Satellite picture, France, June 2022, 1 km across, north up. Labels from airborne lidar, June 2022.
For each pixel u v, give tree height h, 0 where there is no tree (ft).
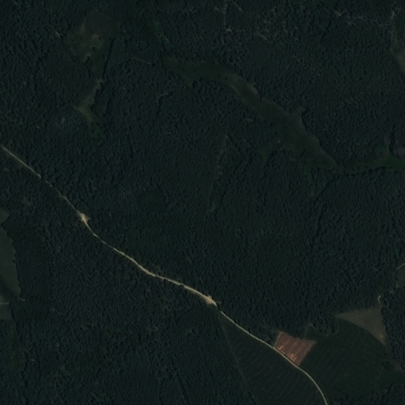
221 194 27
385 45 60
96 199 88
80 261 63
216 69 0
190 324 65
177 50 79
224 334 67
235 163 33
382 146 86
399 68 71
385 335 0
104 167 65
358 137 37
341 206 98
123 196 68
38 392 88
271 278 62
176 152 92
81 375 31
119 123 103
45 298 52
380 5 54
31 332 63
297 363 0
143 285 52
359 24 79
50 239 41
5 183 60
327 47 76
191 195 70
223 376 58
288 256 52
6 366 72
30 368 66
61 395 30
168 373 31
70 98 86
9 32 67
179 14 40
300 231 74
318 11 55
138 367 84
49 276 41
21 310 51
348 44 76
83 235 65
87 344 46
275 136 75
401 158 78
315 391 0
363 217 82
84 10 57
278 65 56
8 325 78
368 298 54
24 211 43
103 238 57
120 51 65
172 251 48
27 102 79
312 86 72
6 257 0
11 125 45
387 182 78
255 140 73
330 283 92
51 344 69
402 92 78
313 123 85
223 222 91
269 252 56
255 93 0
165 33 60
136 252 59
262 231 75
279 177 84
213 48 54
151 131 58
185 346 58
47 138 91
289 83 73
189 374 74
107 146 54
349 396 36
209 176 74
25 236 53
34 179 70
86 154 67
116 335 38
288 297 60
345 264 86
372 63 76
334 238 78
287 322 75
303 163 40
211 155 95
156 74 87
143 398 73
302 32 68
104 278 60
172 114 98
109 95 53
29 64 87
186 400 34
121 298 34
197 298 50
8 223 49
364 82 92
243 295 60
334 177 33
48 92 59
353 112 69
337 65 70
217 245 71
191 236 68
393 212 74
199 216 61
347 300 59
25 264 47
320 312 61
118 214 55
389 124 101
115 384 78
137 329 60
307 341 0
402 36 32
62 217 57
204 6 54
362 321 0
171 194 89
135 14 67
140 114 77
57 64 63
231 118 87
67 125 74
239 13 63
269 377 0
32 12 79
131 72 88
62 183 93
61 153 76
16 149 48
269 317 77
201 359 64
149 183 96
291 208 67
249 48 53
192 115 84
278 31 64
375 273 57
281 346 0
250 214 91
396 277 28
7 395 85
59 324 67
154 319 63
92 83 91
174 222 60
